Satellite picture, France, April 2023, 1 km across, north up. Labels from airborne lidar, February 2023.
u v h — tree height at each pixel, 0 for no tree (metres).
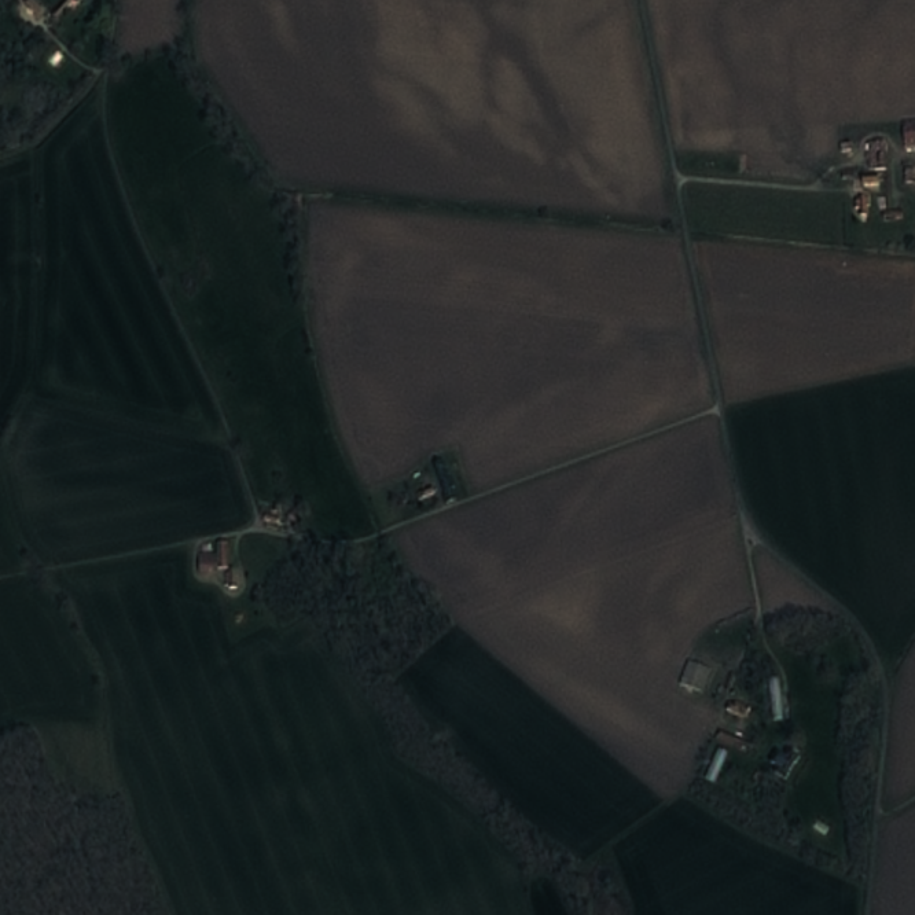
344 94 0
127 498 0
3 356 0
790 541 0
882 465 0
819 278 0
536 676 0
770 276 0
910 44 0
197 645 0
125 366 0
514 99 0
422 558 0
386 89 0
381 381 0
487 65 0
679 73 0
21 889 16
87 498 0
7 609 0
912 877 0
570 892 13
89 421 0
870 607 0
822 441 0
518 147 0
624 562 0
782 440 0
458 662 0
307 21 0
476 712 0
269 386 0
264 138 0
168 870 0
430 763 12
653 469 0
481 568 0
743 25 0
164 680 0
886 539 0
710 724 0
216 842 0
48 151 0
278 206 13
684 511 0
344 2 0
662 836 0
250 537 0
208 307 0
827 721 0
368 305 0
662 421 0
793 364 0
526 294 0
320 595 24
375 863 0
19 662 0
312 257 0
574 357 0
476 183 0
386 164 0
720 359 0
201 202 0
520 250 0
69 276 0
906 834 0
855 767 16
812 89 0
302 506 15
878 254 0
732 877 0
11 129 19
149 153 0
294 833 0
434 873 0
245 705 0
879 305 0
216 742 0
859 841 16
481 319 0
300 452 0
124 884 22
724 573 0
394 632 20
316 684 0
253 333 0
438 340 0
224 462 0
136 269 0
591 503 0
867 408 0
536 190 0
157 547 0
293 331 0
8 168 0
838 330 0
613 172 0
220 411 0
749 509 0
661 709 0
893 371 0
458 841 0
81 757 0
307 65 0
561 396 0
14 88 0
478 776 9
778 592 0
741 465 0
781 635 21
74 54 9
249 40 0
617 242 0
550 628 0
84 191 0
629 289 0
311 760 0
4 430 11
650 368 0
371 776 0
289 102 0
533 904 0
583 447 0
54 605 0
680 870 0
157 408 0
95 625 0
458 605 0
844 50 0
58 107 13
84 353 0
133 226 0
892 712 0
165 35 0
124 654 0
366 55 0
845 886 0
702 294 0
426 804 0
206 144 0
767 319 0
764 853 0
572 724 0
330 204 0
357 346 0
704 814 0
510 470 0
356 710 0
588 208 0
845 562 0
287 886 0
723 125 0
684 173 0
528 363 0
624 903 0
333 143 0
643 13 0
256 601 16
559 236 0
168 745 0
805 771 0
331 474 0
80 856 21
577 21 0
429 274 0
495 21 0
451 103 0
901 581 0
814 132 0
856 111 0
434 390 0
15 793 18
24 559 10
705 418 0
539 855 6
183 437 0
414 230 0
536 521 0
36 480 0
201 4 0
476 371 0
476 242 0
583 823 0
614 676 0
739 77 0
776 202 0
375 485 0
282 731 0
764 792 13
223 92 0
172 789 0
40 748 11
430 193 0
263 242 0
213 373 0
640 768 0
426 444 0
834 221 0
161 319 0
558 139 0
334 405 0
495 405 0
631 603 0
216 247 0
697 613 0
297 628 0
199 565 0
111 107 0
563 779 0
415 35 0
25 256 0
